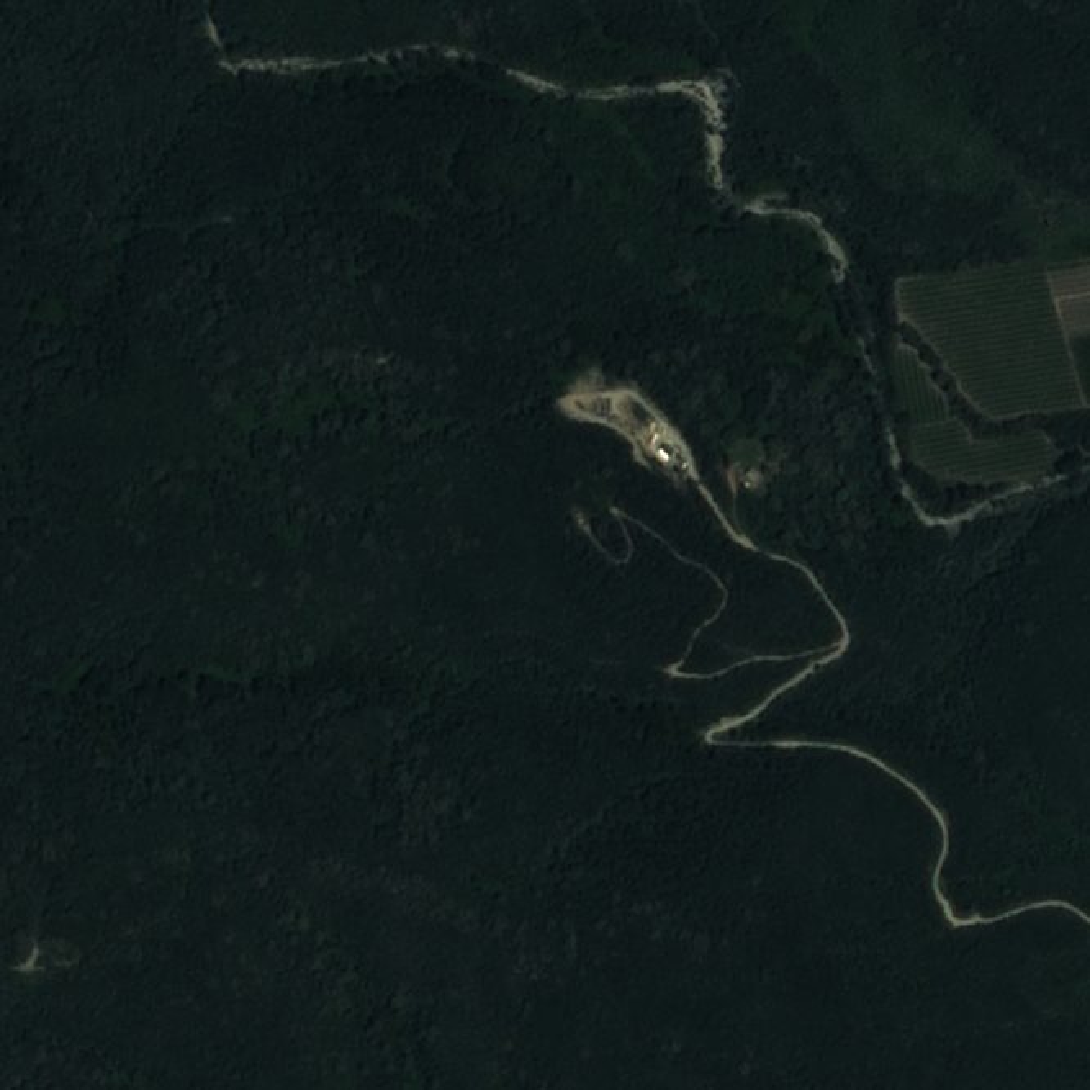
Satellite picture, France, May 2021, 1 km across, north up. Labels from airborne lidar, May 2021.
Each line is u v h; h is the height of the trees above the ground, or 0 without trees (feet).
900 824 23
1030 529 28
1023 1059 29
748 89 21
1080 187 31
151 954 31
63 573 30
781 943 26
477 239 35
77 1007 28
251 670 44
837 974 25
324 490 24
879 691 25
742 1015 23
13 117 46
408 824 35
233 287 36
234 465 21
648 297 32
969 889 34
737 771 25
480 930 25
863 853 21
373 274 31
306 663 56
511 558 19
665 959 20
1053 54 34
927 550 31
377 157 35
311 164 38
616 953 34
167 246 34
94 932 26
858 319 87
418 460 27
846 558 33
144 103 36
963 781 27
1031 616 25
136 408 18
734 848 28
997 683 24
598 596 20
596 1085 20
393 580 25
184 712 68
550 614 24
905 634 23
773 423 38
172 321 39
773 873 25
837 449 25
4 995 57
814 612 25
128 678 78
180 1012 26
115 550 26
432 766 28
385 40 25
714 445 42
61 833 38
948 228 21
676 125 18
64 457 24
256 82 35
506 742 22
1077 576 22
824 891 27
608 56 24
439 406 23
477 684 40
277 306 32
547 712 36
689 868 28
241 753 66
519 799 21
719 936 26
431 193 32
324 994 30
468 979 28
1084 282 0
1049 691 20
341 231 25
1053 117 28
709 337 31
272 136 32
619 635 20
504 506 20
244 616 34
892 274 26
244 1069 30
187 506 28
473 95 44
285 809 51
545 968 20
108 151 35
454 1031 29
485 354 31
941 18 24
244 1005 34
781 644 19
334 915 37
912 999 29
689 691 24
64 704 36
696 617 25
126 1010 36
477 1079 26
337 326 27
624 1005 21
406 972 30
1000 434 22
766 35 29
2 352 39
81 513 34
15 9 52
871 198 19
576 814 27
